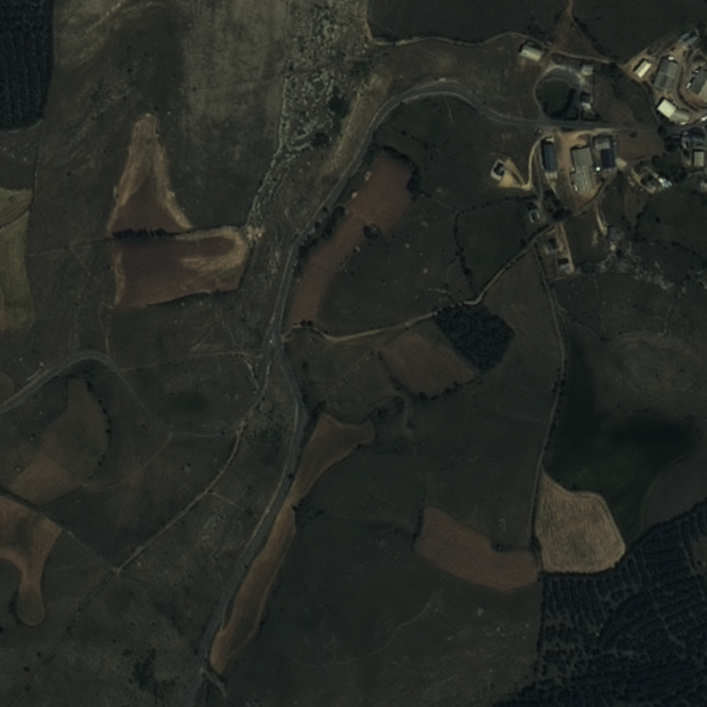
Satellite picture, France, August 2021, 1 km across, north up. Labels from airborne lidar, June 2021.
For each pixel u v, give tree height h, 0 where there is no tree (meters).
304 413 0
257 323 0
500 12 0
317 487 0
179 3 0
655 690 14
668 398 0
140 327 0
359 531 0
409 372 0
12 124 9
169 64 0
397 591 0
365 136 0
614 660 7
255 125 0
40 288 0
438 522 0
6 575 0
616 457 0
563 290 0
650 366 0
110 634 0
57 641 0
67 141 0
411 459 0
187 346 0
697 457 0
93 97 0
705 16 0
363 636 0
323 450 0
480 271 0
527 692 12
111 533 0
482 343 17
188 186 0
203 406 0
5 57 14
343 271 0
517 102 0
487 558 0
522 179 0
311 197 0
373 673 0
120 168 0
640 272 0
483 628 0
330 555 0
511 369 0
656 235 0
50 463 0
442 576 0
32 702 0
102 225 0
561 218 11
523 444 0
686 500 0
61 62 0
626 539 0
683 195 0
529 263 0
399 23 0
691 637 10
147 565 0
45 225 0
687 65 0
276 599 0
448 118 0
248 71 0
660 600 9
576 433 0
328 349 0
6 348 0
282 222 0
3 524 0
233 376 0
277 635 0
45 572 0
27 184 0
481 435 0
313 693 0
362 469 0
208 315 0
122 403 0
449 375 0
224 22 0
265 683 0
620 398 0
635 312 0
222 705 0
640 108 0
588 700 11
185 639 0
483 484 0
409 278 0
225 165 0
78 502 0
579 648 8
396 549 0
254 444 0
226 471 0
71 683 0
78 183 0
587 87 0
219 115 0
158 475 0
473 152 0
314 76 0
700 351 0
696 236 0
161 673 0
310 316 0
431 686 0
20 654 0
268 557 0
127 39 0
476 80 0
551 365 0
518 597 0
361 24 0
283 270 0
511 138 0
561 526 0
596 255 0
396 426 0
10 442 0
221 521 0
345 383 0
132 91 0
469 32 0
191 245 0
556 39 0
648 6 0
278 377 0
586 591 11
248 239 0
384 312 0
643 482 0
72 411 0
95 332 0
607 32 0
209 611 0
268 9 0
